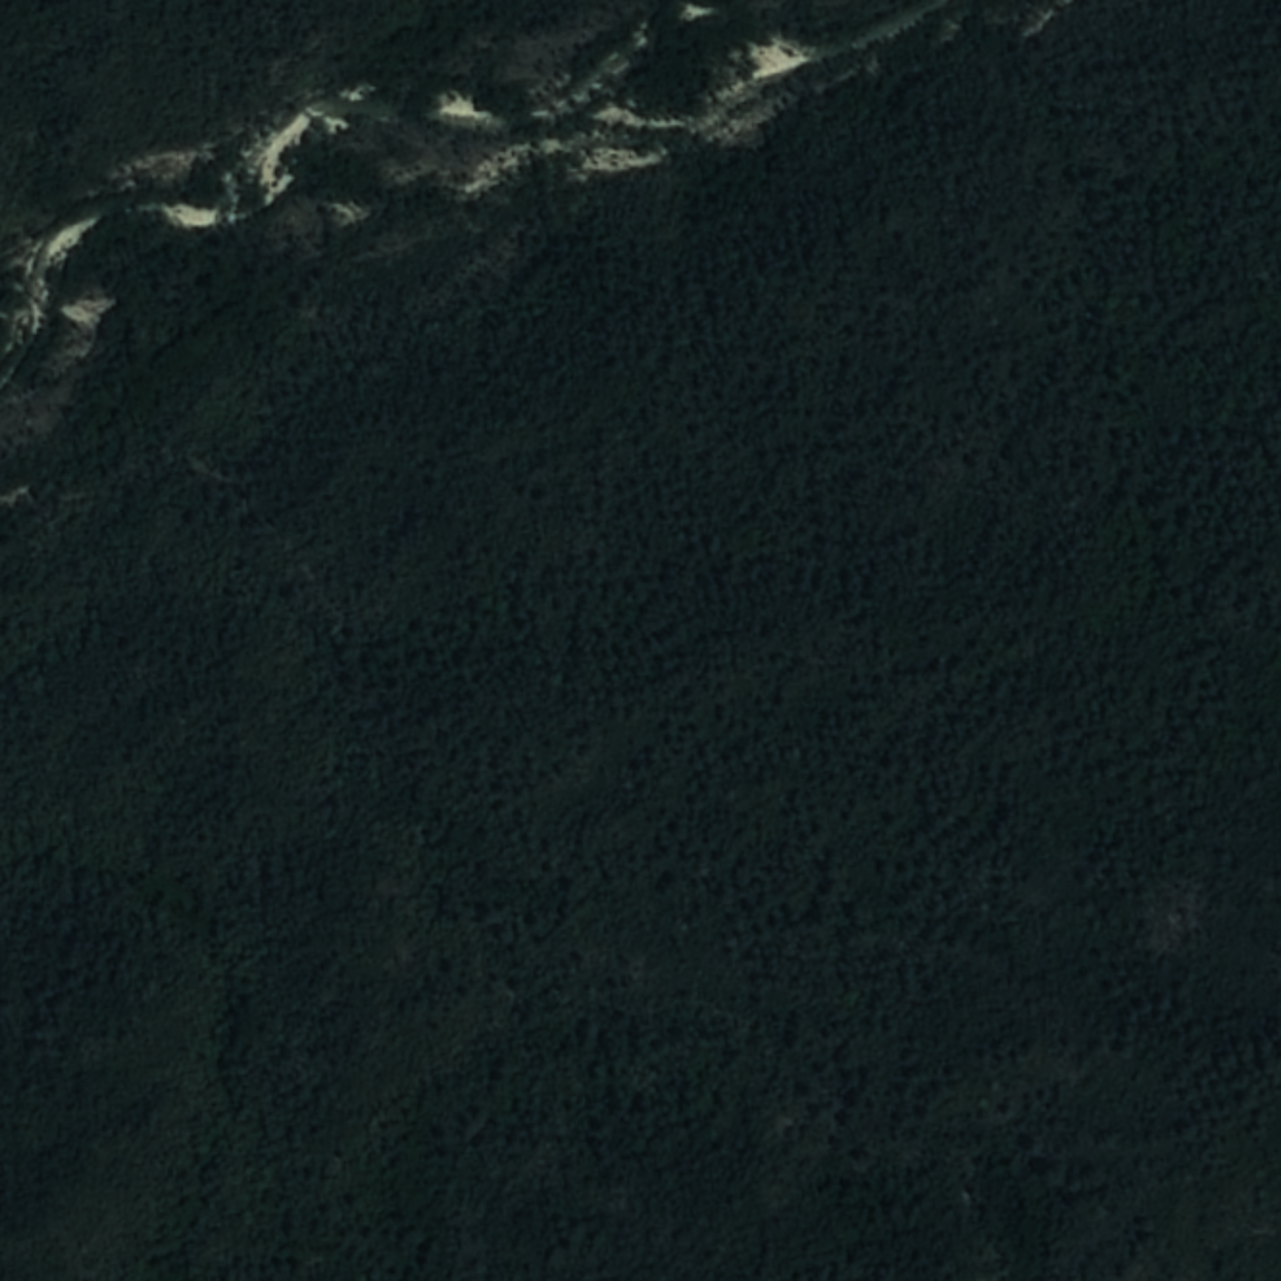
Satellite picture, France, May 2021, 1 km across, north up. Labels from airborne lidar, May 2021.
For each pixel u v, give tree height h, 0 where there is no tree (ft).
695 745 27
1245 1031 18
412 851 37
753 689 19
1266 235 33
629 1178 42
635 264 32
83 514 19
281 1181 31
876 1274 36
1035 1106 55
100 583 55
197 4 45
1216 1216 24
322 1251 49
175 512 55
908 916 25
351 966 24
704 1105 79
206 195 52
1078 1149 30
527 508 22
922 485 60
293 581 22
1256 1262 20
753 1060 30
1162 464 50
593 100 31
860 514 65
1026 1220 76
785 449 18
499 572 39
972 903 37
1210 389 64
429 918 45
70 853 39
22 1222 41
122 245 35
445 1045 33
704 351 84
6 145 53
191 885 59
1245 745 41
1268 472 34
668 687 67
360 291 35
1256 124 91
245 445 20
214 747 58
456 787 41
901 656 36
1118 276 88
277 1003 30
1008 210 81
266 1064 31
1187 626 27
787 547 80
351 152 18
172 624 68
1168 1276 32
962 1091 47
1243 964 20
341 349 82
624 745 18
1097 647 83
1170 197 45
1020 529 86
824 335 23
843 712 31
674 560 36
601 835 54
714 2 43
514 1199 41
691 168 59
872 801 30
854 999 36
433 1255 76
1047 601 39
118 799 52
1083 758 32
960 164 67
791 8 20
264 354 66
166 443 63
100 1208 19
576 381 44
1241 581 20
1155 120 77
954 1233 20
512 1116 42
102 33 40
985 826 25
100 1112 35
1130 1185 26
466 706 78
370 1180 40
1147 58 22
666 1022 44
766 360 37
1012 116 33
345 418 43
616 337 73
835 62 45
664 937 19
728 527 40
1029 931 39
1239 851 18
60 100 78
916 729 73
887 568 71
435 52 49
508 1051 52
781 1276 36
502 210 20
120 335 36
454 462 40
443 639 43
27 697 58
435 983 84
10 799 31
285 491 30
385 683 26
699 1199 31
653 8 35
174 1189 31
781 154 59
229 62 31
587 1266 21
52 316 37
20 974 46
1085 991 34
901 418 73
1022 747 68
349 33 39
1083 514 31
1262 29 18
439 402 45
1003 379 84
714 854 21
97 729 46
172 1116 26
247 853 46
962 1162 33
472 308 71
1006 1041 24
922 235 23
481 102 44
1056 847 23
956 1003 24
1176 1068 25
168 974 36
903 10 29
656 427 79
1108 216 90
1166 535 78
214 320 49
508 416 31
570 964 18
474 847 21
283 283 58
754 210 50
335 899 35
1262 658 23
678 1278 21
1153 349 23
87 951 78
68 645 66
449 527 36
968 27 41
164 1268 93
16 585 62
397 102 37
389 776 35
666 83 80
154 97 44
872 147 39
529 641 37
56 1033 84
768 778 73
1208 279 53
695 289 85
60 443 20
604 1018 25
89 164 33
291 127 0
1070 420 64
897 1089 23
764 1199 35
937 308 76
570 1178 47
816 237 85
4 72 55
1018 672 26
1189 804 33
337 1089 33
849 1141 28
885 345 62
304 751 36
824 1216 44
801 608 79
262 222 33
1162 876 22
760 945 27
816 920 17
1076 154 49
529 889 52
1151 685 23
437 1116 27
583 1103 34
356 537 22
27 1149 20
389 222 22
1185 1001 34
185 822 33
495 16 72
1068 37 39
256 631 29
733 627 57
